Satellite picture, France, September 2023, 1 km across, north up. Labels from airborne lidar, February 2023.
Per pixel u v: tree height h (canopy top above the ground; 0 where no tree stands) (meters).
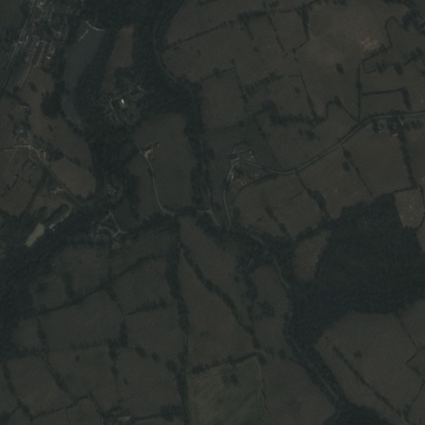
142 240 0
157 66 15
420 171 0
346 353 0
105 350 0
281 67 0
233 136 0
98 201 10
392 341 0
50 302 0
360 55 0
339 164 0
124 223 0
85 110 15
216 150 0
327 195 0
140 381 0
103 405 0
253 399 0
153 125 0
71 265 0
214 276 0
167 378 0
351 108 0
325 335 0
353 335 0
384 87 0
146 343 0
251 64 0
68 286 0
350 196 0
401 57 0
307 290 14
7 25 0
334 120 0
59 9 0
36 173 0
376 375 0
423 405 0
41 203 0
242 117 0
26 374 0
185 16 0
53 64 12
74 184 0
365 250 16
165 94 21
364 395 0
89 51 0
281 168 0
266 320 0
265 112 13
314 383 8
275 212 0
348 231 0
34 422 0
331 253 18
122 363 0
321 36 0
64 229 26
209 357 0
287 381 0
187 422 17
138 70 20
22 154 0
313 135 7
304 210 0
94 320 0
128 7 22
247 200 0
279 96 0
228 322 0
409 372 0
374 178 0
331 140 0
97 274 0
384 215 16
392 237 14
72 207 0
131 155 12
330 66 0
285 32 0
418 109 0
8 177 0
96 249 0
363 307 26
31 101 0
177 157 0
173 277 22
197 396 0
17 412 0
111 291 19
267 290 0
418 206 0
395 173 0
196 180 18
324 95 0
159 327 0
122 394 0
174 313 0
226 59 0
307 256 0
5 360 16
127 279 0
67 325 0
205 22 0
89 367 0
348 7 0
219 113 0
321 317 27
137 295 0
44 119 0
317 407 0
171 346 0
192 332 0
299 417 0
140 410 0
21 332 0
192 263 15
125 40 0
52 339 0
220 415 0
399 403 0
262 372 0
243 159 0
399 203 0
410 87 0
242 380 0
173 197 0
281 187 0
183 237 0
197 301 0
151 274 0
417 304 0
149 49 12
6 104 0
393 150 0
